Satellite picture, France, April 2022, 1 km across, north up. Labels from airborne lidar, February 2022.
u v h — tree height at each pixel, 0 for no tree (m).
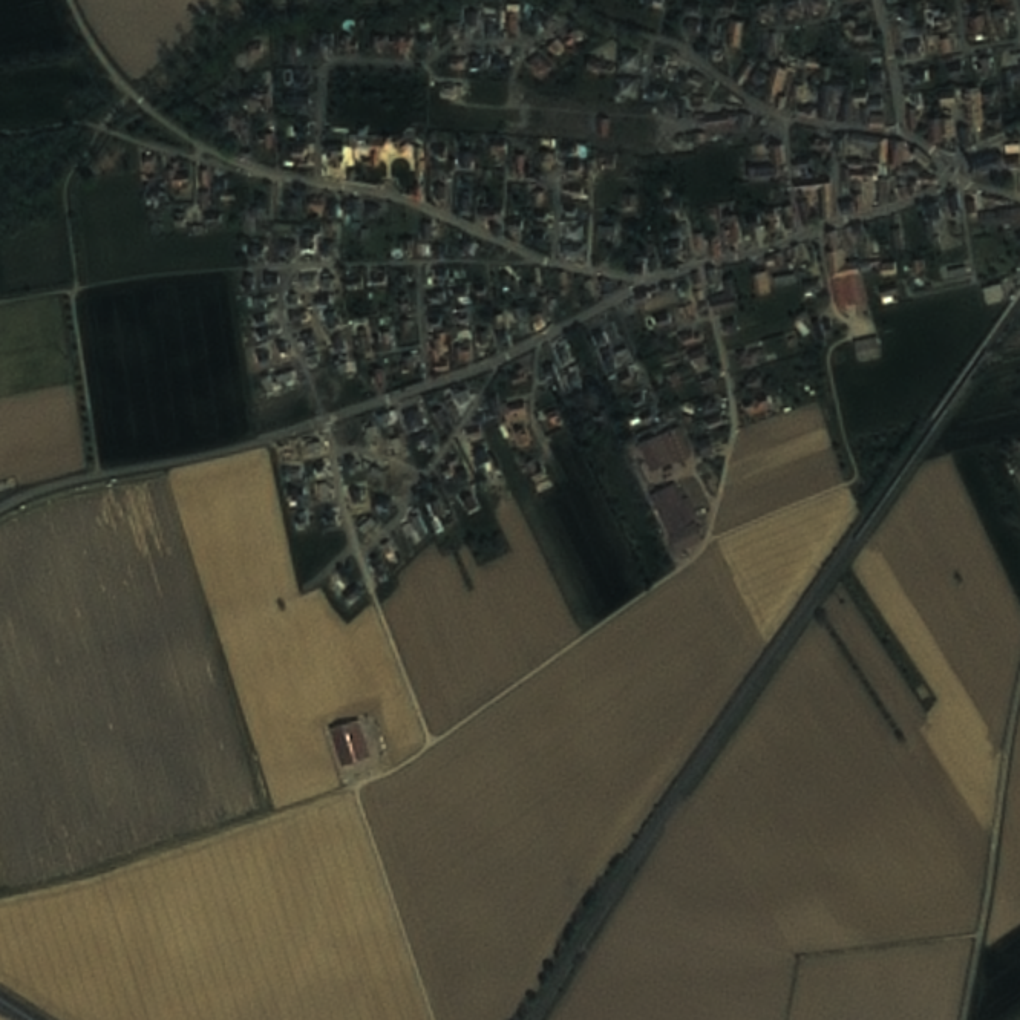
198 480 0
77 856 0
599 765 0
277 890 0
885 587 0
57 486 0
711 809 0
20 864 0
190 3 0
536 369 0
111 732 0
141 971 0
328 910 0
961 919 0
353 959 0
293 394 0
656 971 0
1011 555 0
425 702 0
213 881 0
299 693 0
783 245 0
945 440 0
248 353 0
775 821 0
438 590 0
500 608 0
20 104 0
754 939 0
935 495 0
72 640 0
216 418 0
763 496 0
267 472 0
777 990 0
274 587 0
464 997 0
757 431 0
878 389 0
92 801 0
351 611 0
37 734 0
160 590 0
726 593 0
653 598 0
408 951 0
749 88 9
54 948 0
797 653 0
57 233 0
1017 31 0
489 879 0
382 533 0
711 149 0
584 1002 0
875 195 0
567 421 7
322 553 0
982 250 0
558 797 0
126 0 0
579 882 0
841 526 0
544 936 0
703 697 0
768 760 0
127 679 0
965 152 0
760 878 0
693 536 0
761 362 0
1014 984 0
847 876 0
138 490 0
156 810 0
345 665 0
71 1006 0
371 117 0
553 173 0
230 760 0
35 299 0
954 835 0
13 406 0
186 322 0
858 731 0
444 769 0
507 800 0
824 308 0
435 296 0
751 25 7
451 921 0
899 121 0
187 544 0
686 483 0
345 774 0
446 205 0
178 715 0
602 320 0
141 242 0
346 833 0
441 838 0
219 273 0
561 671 0
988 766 0
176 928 0
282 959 0
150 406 0
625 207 0
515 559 0
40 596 0
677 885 0
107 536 0
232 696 0
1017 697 0
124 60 0
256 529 0
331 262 0
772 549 0
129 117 9
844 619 0
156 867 0
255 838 0
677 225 11
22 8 0
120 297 0
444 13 12
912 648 0
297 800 0
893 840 0
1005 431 0
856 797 0
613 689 0
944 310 0
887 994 0
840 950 0
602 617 0
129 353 0
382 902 0
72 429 0
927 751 0
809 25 0
